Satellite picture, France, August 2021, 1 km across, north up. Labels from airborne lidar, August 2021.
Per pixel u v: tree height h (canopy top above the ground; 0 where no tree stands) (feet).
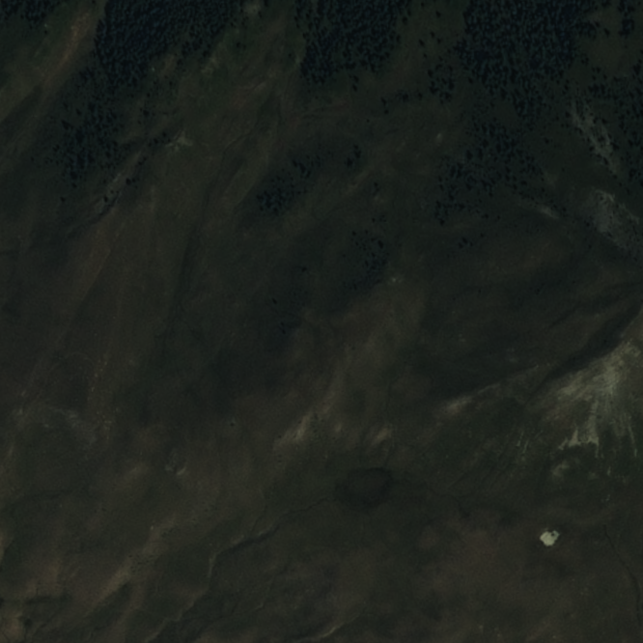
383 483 0
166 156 0
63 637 0
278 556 0
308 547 0
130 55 26
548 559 0
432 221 0
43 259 0
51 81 0
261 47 0
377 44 36
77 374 0
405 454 0
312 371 0
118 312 0
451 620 0
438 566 0
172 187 0
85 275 0
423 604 0
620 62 0
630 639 0
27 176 0
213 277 0
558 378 0
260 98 0
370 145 0
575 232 0
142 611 0
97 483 0
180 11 36
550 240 0
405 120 0
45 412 0
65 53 0
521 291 0
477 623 0
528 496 0
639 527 0
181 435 0
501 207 0
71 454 0
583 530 0
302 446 0
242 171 0
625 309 0
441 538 0
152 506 0
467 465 0
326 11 48
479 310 0
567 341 0
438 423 0
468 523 0
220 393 0
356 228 0
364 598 0
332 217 0
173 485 0
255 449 0
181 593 0
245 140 0
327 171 0
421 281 0
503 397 0
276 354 0
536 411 0
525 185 19
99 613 0
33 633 0
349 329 0
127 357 0
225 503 0
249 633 0
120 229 0
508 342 0
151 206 0
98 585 0
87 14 0
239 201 0
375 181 0
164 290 0
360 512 0
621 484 0
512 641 0
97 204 0
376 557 0
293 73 0
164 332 0
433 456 0
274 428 0
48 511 0
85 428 0
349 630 0
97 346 0
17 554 0
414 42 0
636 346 0
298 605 0
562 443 0
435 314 0
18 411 0
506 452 0
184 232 0
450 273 0
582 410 0
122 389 0
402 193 0
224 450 0
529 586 0
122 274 0
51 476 0
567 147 0
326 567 0
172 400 0
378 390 0
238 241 0
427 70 0
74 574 0
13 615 0
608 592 0
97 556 0
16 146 0
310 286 0
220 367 0
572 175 0
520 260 0
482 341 0
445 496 0
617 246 0
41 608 0
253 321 0
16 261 0
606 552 0
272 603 0
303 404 0
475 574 0
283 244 0
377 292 0
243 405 0
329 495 0
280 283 0
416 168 0
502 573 0
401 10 32
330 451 0
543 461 0
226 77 0
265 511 0
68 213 0
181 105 0
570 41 53
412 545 0
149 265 0
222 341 0
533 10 44
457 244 0
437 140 0
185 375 0
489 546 0
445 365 0
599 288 0
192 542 0
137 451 0
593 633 0
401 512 0
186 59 30
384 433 0
